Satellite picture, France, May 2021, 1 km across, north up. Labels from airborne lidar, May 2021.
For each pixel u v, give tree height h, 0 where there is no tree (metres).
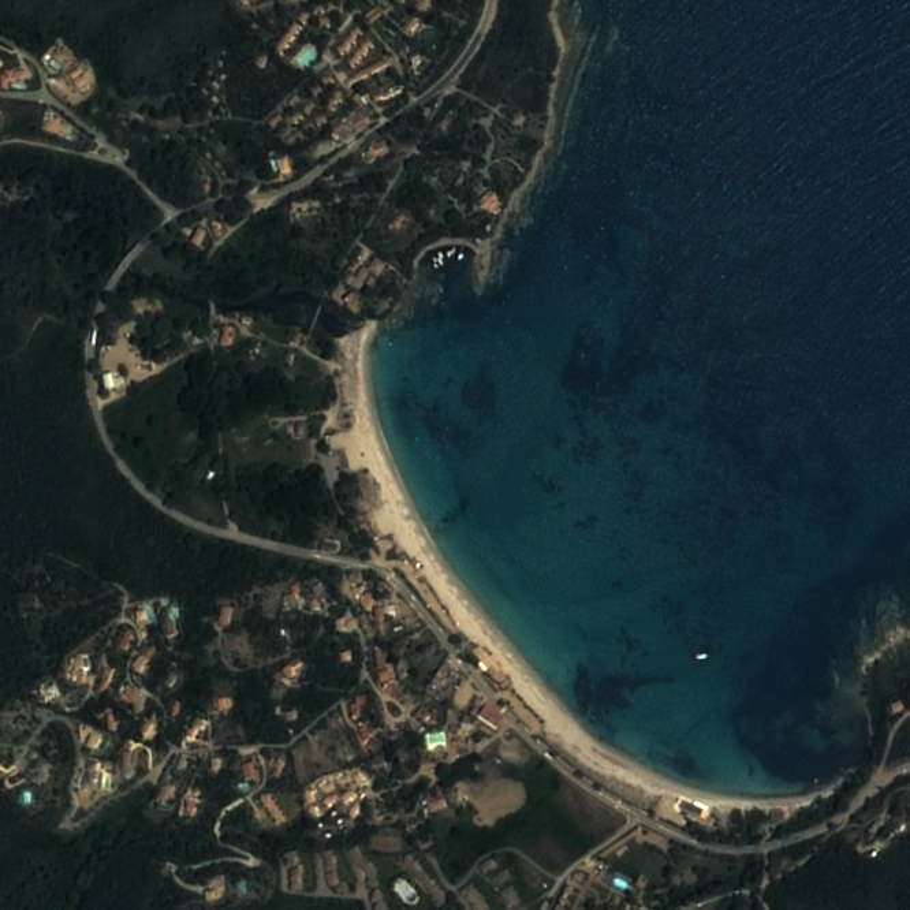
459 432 0
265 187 9
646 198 0
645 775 0
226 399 11
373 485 0
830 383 0
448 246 0
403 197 9
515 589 0
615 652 0
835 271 0
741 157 0
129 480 15
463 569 0
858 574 0
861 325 0
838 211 0
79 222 12
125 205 21
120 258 7
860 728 0
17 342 6
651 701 0
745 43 0
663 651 0
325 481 7
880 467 0
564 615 0
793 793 0
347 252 8
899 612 0
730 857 12
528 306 0
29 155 7
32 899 10
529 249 0
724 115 0
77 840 13
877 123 0
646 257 0
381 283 11
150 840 13
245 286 10
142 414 0
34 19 7
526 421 0
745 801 0
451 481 0
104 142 0
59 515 7
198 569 7
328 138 12
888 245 0
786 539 0
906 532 0
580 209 0
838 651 0
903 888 6
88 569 6
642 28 0
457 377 0
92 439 10
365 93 11
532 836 0
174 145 18
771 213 0
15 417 6
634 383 0
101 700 9
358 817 11
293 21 6
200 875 8
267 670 9
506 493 0
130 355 0
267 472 10
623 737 0
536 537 0
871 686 8
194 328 12
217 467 12
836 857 9
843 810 10
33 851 6
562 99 0
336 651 10
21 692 7
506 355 0
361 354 0
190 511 0
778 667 0
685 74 0
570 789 0
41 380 10
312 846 8
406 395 0
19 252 10
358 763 5
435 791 6
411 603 0
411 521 0
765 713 0
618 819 0
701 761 0
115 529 6
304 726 7
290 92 6
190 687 6
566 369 0
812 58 0
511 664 0
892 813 11
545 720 0
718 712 0
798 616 0
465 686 0
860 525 0
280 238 7
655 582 0
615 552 0
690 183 0
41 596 6
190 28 0
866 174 0
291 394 11
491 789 0
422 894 8
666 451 0
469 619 0
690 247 0
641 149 0
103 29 7
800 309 0
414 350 0
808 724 0
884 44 0
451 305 0
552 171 0
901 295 0
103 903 7
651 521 0
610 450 0
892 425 0
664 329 0
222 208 14
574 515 0
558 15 0
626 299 0
